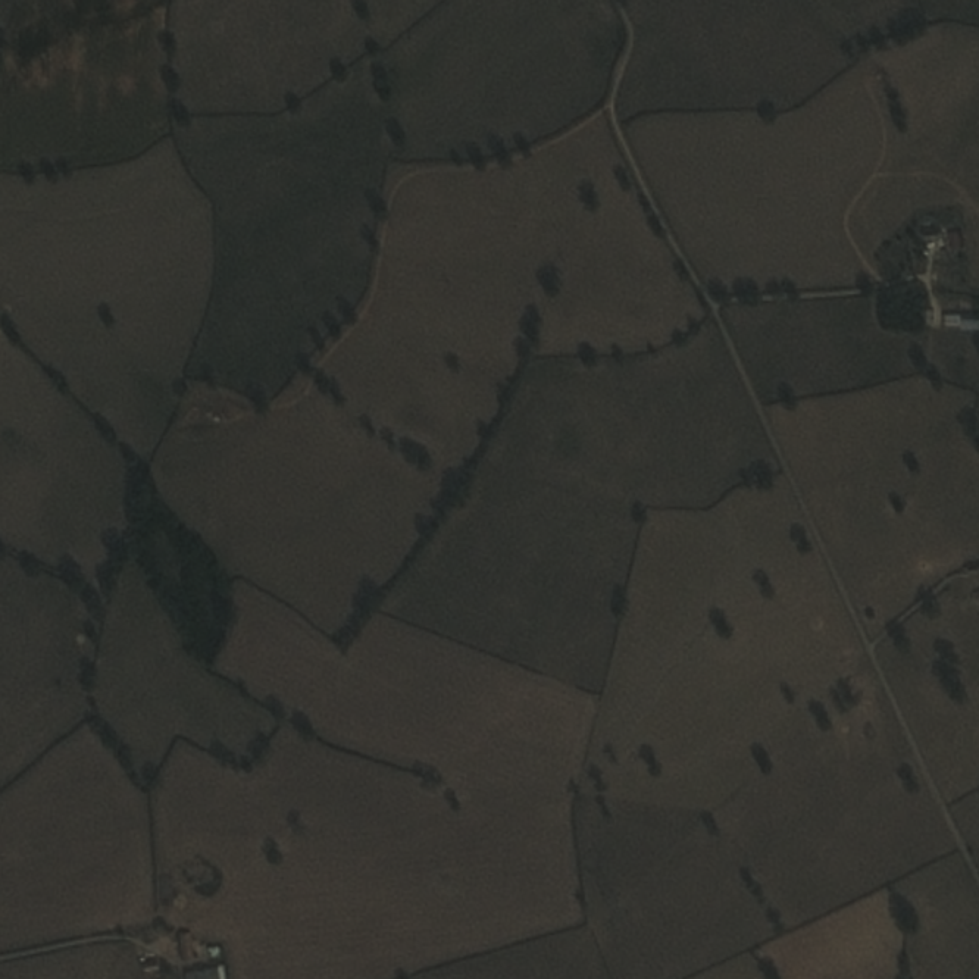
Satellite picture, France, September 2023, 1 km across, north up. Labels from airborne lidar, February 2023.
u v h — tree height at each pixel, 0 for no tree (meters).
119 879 0
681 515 0
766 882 0
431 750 0
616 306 0
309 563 0
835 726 0
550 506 0
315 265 0
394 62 0
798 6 0
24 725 0
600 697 0
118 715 0
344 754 0
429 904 0
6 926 0
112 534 0
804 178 0
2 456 0
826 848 0
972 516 0
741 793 0
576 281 0
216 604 19
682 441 0
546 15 0
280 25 0
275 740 0
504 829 0
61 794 0
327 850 0
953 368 0
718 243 0
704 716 0
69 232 0
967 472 0
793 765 0
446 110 0
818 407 0
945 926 0
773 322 0
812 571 0
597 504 0
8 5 0
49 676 0
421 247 0
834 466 0
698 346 0
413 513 0
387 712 0
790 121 0
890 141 0
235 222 0
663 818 0
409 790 0
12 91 0
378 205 20
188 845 0
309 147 0
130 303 0
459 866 0
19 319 0
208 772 0
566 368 0
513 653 0
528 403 0
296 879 0
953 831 0
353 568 0
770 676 0
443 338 0
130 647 0
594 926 0
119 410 0
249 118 0
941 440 0
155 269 0
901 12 0
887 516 0
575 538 0
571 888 0
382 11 0
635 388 0
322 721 0
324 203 0
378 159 0
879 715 0
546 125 0
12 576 0
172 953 0
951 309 0
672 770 0
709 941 0
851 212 0
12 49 0
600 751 0
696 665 0
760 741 0
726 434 0
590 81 0
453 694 0
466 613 0
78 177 0
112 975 0
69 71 0
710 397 0
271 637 0
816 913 0
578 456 0
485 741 0
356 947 0
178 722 0
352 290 0
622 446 0
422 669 0
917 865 0
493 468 0
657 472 0
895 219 0
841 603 0
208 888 0
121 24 0
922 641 0
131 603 0
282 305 0
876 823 0
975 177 0
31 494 0
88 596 16
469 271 0
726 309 0
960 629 0
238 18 0
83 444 0
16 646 0
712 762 0
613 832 0
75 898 0
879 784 0
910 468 14
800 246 0
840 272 0
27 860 0
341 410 0
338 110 0
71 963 0
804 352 0
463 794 0
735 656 0
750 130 0
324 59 0
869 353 0
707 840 0
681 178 0
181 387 11
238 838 0
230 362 0
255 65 0
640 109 0
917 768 0
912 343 0
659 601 0
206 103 0
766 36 0
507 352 0
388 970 0
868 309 0
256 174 0
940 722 0
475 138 0
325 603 0
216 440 0
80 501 0
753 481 14
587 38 0
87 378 0
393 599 0
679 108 0
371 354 0
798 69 0
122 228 0
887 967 0
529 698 0
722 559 0
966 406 0
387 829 0
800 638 0
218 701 0
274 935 0
